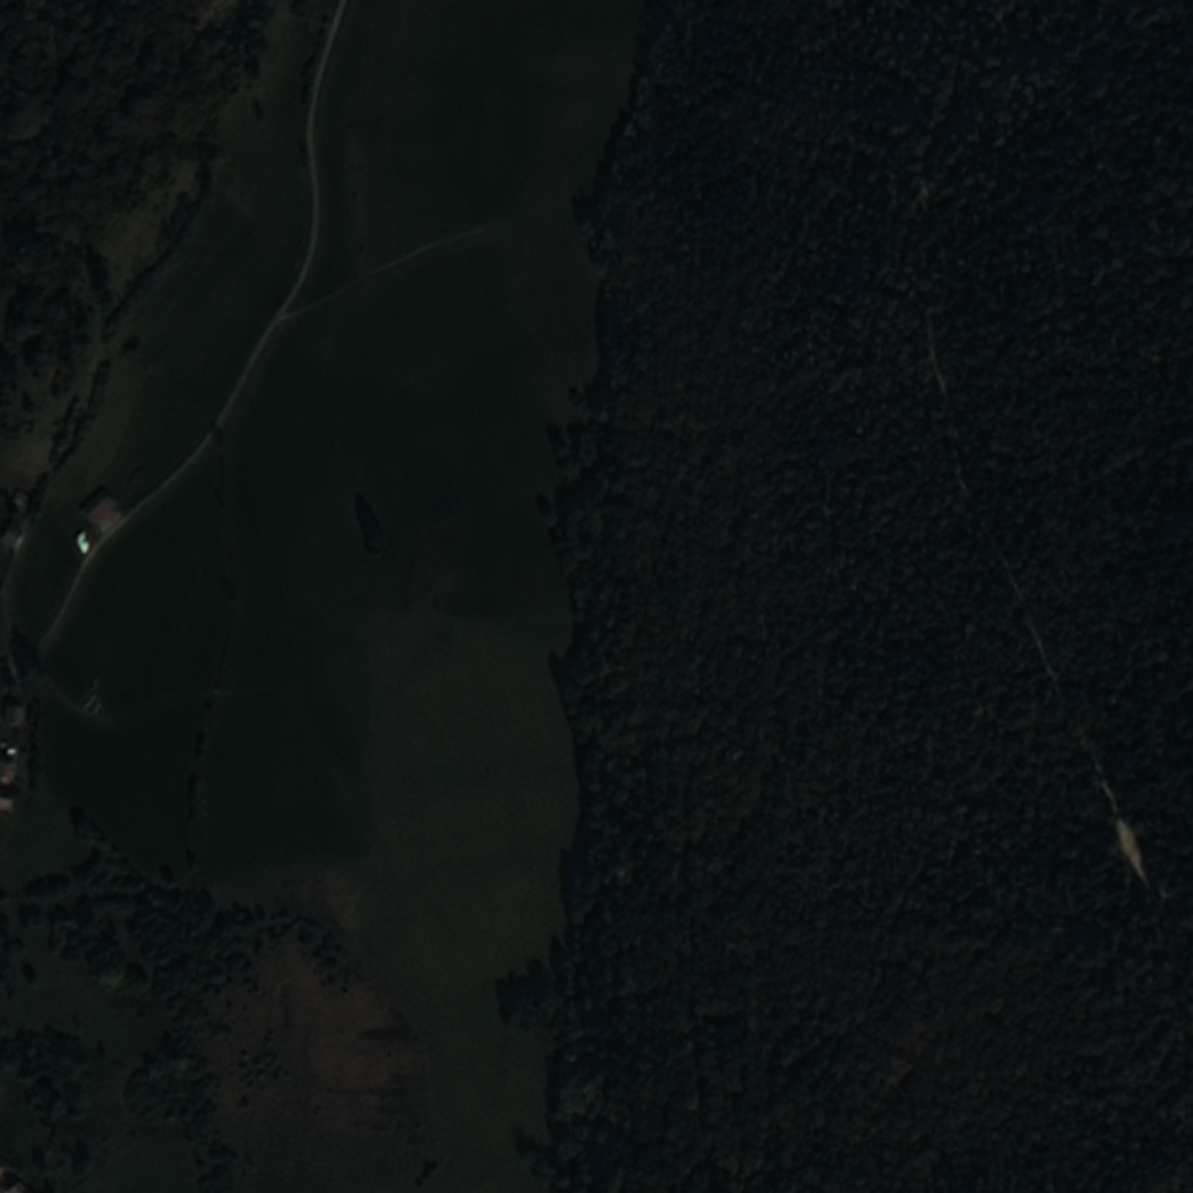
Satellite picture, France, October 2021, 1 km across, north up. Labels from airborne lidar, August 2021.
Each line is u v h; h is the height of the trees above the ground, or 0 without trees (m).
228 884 0
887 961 11
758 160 21
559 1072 9
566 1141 22
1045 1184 21
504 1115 0
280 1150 0
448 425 0
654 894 18
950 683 17
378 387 0
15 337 13
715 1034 19
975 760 15
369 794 0
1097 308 9
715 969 18
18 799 9
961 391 7
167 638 0
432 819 0
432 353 0
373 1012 0
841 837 16
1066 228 22
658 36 22
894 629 13
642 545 22
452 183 0
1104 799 10
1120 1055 14
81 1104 22
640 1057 20
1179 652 15
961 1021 13
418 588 0
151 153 14
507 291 0
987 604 18
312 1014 0
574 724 17
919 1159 17
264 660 0
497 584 0
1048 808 13
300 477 0
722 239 24
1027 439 16
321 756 0
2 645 0
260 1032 0
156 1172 0
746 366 14
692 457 21
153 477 0
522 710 0
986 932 16
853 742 16
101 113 7
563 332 0
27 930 10
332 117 0
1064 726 18
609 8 0
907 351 14
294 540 0
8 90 7
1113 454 20
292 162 0
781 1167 14
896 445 15
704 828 17
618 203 17
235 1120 0
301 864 0
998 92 17
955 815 13
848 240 13
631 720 23
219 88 25
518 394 0
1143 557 16
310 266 0
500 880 0
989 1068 12
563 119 0
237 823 0
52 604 0
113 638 0
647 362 18
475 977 0
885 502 19
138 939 14
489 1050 0
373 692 0
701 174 12
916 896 15
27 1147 0
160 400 0
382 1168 0
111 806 0
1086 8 8
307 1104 0
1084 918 22
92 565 0
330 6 0
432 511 0
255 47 21
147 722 0
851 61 6
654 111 8
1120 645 14
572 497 6
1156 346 15
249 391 0
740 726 14
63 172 17
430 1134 0
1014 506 11
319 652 0
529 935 0
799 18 16
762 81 18
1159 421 22
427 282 0
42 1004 0
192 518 0
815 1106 18
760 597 14
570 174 0
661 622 14
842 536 19
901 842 15
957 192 14
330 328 0
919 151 13
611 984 8
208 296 0
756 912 20
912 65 16
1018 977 12
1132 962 11
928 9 15
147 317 0
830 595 20
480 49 0
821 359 20
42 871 0
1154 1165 19
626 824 16
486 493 0
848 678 16
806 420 15
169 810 0
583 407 9
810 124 16
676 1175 12
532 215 0
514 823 0
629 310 19
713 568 17
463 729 0
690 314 21
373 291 0
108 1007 0
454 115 0
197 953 6
